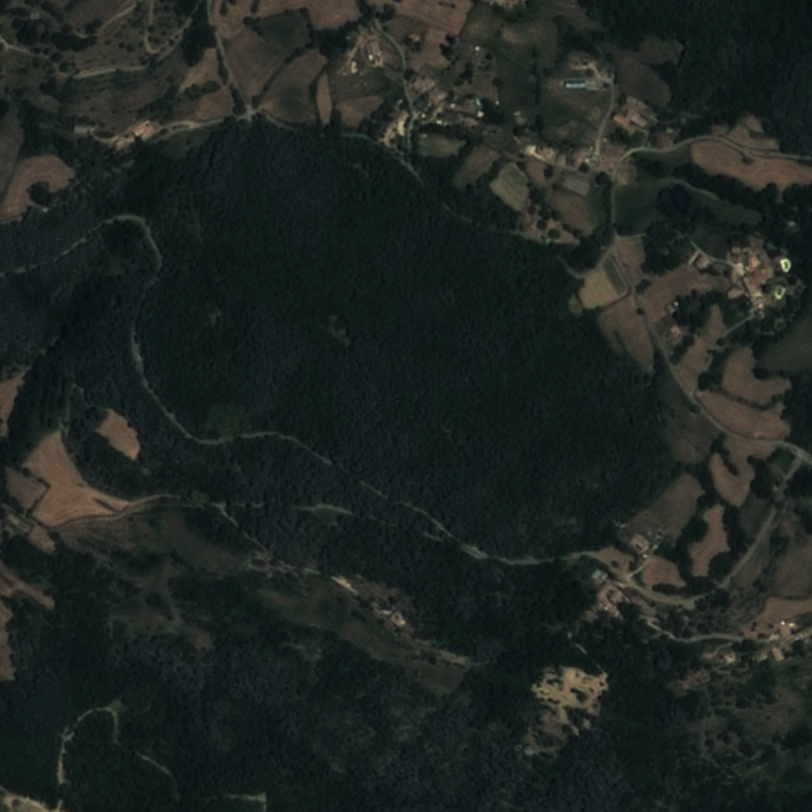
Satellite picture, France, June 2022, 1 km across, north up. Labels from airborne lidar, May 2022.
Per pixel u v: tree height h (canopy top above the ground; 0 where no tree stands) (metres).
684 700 9
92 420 15
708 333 0
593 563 7
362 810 11
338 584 0
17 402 13
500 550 15
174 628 0
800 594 0
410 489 14
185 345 11
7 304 18
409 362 18
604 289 0
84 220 12
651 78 0
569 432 18
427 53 0
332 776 10
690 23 12
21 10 12
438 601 12
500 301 15
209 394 18
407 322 15
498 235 12
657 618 7
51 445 0
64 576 12
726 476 0
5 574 0
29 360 9
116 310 16
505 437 14
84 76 0
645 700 8
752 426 0
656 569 0
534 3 11
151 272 11
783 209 17
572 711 10
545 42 0
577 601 15
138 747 10
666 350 0
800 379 12
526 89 0
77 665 17
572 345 17
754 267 0
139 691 14
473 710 18
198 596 8
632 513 10
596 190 0
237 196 16
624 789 14
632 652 10
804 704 0
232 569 0
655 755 10
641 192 0
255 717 11
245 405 14
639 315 6
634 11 16
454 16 0
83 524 0
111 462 13
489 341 15
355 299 19
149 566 7
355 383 21
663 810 11
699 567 0
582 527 11
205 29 9
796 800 7
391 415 19
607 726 7
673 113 7
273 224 12
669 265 21
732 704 6
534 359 17
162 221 9
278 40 0
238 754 14
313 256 15
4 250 18
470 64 9
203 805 14
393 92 0
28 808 0
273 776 9
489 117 15
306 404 17
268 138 16
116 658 16
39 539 0
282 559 13
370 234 17
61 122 10
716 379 8
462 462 16
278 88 0
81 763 8
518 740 16
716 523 0
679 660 12
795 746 10
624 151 0
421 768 11
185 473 12
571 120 0
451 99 8
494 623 12
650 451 15
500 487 15
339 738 9
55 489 0
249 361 11
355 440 20
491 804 16
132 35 0
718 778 6
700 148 0
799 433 10
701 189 16
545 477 13
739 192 22
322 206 17
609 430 22
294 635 9
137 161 10
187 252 9
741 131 0
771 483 8
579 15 0
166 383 10
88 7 0
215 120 0
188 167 11
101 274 10
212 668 12
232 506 18
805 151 18
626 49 12
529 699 13
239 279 11
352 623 0
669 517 0
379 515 17
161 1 8
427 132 11
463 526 15
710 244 0
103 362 10
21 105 6
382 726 9
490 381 14
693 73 15
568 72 0
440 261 18
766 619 0
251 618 6
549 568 14
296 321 14
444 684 0
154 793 12
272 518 20
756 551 0
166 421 11
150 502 0
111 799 7
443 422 13
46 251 9
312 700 11
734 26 12
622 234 13
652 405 8
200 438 14
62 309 8
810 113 17
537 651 20
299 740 11
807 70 15
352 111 0
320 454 13
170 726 13
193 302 13
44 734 11
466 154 8
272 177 16
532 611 12
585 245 9
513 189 0
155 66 10
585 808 15
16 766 8
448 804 13
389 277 17
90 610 9
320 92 0
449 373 17
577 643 12
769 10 18
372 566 10
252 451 12
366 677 12
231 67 0
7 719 12
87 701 7
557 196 0
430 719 8
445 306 13
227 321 9
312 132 10
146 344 12
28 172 0
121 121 0
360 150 9
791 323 10
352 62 0
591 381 14
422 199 16
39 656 7
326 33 10
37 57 7
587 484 9
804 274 17
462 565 9
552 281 17
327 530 9
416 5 0
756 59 7
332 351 15
